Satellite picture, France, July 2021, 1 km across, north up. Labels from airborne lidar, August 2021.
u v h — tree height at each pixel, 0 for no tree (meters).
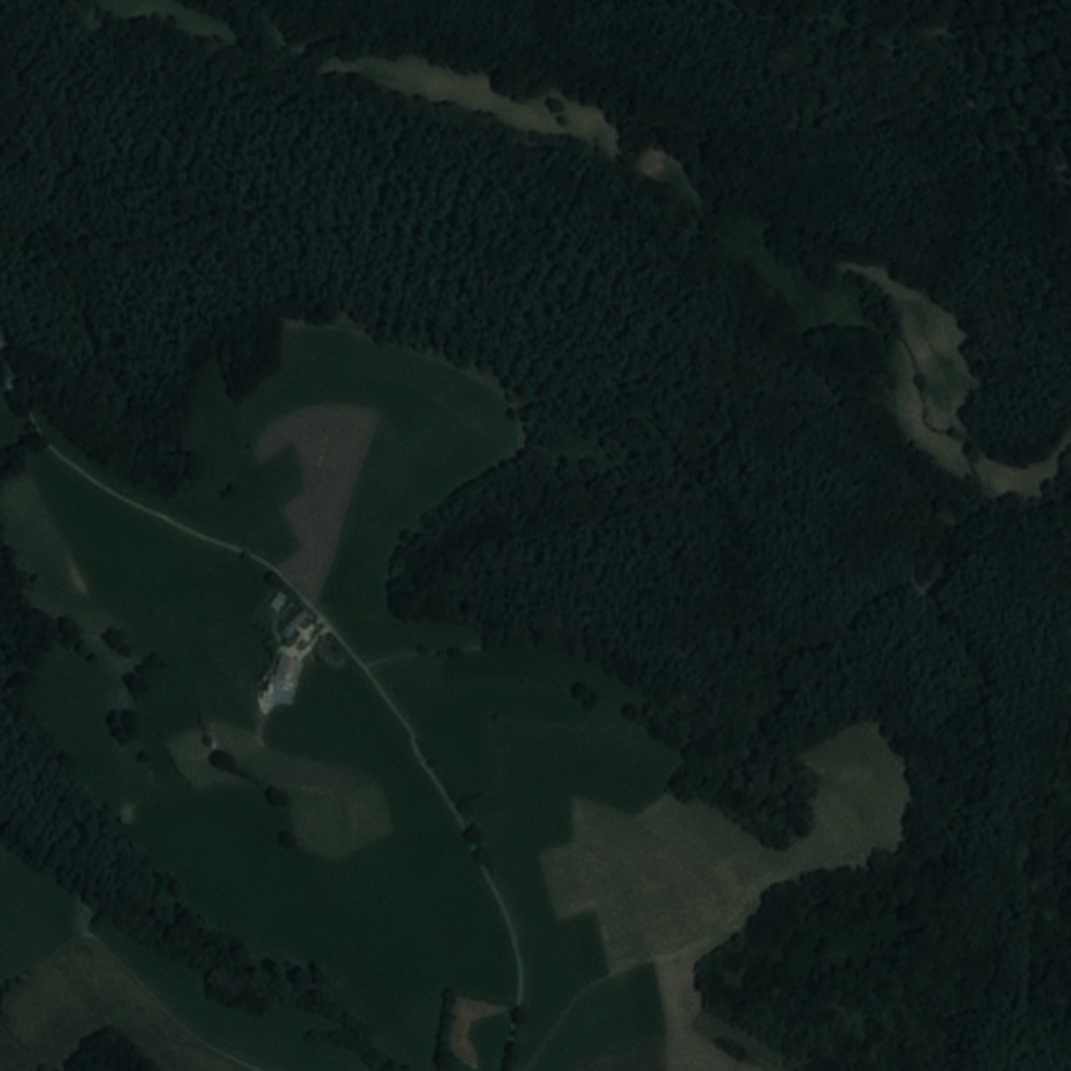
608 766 0
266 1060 0
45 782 36
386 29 18
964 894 22
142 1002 0
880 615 22
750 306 18
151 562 0
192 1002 0
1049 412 23
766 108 28
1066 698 24
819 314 0
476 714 0
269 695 0
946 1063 22
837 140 25
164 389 29
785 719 26
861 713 25
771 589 26
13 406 16
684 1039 0
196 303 24
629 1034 0
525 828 0
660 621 23
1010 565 20
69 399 21
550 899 0
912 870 23
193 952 17
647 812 0
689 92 25
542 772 0
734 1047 10
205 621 0
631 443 24
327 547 0
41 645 18
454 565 28
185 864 0
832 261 10
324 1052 0
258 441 0
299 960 0
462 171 23
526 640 17
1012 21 33
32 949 0
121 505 0
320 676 0
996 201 25
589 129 0
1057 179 29
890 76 24
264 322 24
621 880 0
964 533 29
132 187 30
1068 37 31
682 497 21
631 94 18
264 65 22
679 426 24
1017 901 25
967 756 24
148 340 24
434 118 13
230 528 0
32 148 22
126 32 14
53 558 0
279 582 11
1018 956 24
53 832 33
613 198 28
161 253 21
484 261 23
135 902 34
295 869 0
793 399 17
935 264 22
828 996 28
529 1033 0
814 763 0
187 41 21
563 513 24
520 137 11
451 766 0
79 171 23
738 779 21
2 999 9
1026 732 21
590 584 23
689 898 0
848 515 22
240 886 0
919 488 17
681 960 0
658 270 18
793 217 22
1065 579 23
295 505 0
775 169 22
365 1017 0
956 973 18
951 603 21
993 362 20
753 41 23
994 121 25
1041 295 23
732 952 16
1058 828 22
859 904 14
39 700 0
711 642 22
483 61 19
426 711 0
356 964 0
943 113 24
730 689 27
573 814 0
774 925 20
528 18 22
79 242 16
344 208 26
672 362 28
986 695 23
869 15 31
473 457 0
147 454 27
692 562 22
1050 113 18
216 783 0
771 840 20
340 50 20
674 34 29
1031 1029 19
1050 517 22
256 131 20
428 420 0
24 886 0
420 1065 0
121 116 23
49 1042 0
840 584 19
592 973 0
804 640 21
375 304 29
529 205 33
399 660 0
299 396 0
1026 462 19
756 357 26
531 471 19
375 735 0
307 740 0
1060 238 30
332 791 0
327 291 26
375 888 0
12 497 0
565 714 0
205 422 0
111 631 12
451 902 0
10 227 21
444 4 22
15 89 19
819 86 23
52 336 29
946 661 24
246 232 24
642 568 25
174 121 21
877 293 17
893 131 26
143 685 17
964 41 20
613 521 21
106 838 37
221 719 0
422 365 0
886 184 24
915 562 25
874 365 18
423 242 25
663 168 0
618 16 21
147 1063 14
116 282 22
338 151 23
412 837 0
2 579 23
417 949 0
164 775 0
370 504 0
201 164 24
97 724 0
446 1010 9
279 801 15
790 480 21
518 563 23
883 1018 18
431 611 18
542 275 31
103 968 0
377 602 0
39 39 25
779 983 28
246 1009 16
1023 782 24
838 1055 22
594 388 26
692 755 20
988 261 24
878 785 0
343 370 0
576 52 23
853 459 21
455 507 24
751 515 22
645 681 20
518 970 0
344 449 0
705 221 10
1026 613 22
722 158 20
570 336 22
